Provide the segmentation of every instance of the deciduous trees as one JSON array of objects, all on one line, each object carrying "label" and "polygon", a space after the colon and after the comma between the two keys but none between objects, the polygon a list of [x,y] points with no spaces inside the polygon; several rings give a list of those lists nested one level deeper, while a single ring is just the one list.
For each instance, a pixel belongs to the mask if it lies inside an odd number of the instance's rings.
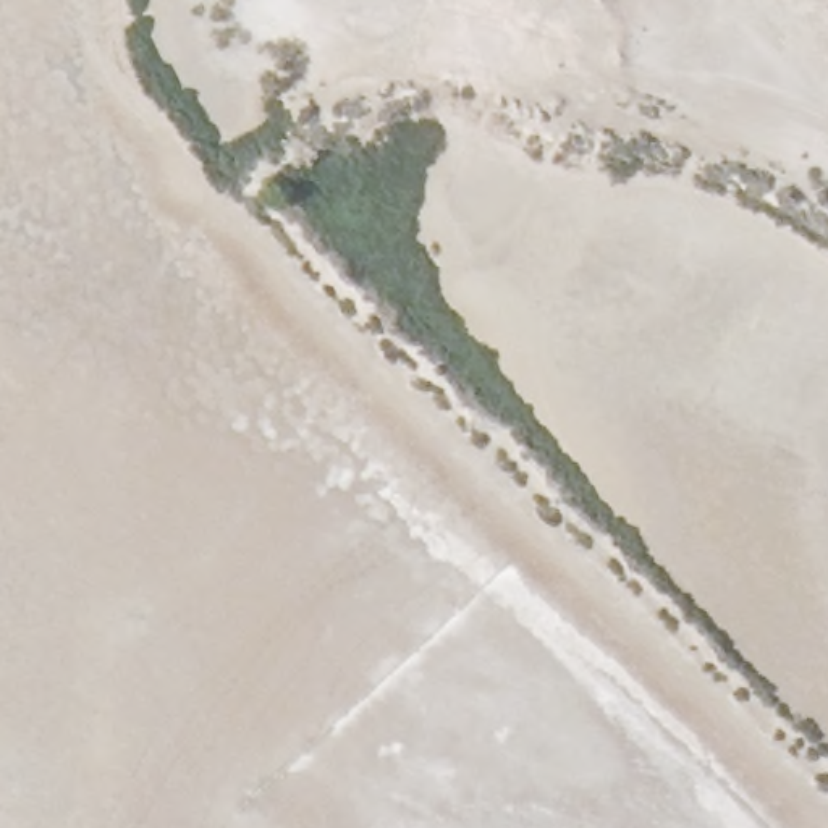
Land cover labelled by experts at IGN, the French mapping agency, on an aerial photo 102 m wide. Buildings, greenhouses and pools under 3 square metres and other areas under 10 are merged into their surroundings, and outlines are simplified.
[{"label": "deciduous trees", "polygon": [[285,201],[285,191],[272,178],[256,194],[252,210],[259,223],[265,223],[272,217],[272,207],[291,207]]}]

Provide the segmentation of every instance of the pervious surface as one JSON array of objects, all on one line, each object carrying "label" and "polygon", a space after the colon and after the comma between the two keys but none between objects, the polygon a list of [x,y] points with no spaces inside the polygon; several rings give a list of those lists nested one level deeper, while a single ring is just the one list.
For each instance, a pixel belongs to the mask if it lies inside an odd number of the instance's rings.
[{"label": "pervious surface", "polygon": [[317,152],[294,139],[285,142],[281,155],[272,155],[268,162],[259,158],[249,171],[243,191],[256,194],[272,178],[291,165],[311,165]]},{"label": "pervious surface", "polygon": [[637,563],[611,540],[611,534],[605,534],[579,508],[569,505],[563,488],[511,433],[511,427],[488,417],[482,408],[472,408],[417,343],[398,333],[395,307],[372,301],[356,281],[349,281],[336,259],[320,252],[320,246],[301,226],[301,207],[291,207],[272,207],[272,217],[265,223],[259,223],[252,210],[210,184],[191,142],[168,120],[168,113],[142,91],[126,45],[133,10],[126,0],[0,0],[0,828],[828,828],[828,760],[789,754],[799,728],[779,718],[760,695],[744,702],[737,699],[744,676],[699,631],[699,624],[686,618],[682,605],[660,592],[644,569],[637,569]]},{"label": "pervious surface", "polygon": [[[301,113],[307,104],[317,104],[320,120],[330,129],[333,129],[333,104],[362,94],[365,116],[356,120],[353,136],[372,142],[375,129],[388,126],[388,107],[424,91],[430,91],[433,100],[433,120],[440,120],[446,129],[446,149],[427,168],[417,236],[440,268],[440,291],[446,304],[463,317],[466,330],[479,343],[498,353],[498,365],[511,378],[514,391],[534,408],[537,420],[556,437],[560,450],[579,463],[579,469],[595,485],[598,498],[618,518],[640,530],[653,560],[663,563],[666,572],[686,592],[692,592],[692,598],[731,634],[737,650],[776,686],[789,708],[812,721],[822,721],[828,715],[828,249],[809,243],[805,236],[792,233],[789,226],[763,213],[741,207],[737,197],[699,188],[695,175],[715,162],[731,158],[770,171],[783,188],[792,188],[809,178],[812,168],[822,168],[828,162],[828,0],[149,0],[149,16],[155,23],[152,39],[158,55],[175,68],[184,87],[197,91],[197,100],[220,129],[223,142],[233,142],[236,136],[256,129],[265,120],[265,107],[262,74],[275,65],[275,58],[268,55],[265,42],[291,39],[301,42],[307,52],[304,78],[291,91],[285,91],[281,100],[291,113]],[[676,110],[663,116],[644,116],[640,104],[624,94],[634,84],[653,97],[676,104]],[[566,94],[569,107],[560,120],[530,120],[527,110],[514,107],[514,97],[521,94],[530,94],[547,110],[556,107],[556,97]],[[602,165],[605,126],[615,126],[621,139],[653,133],[660,136],[670,158],[686,142],[689,162],[679,175],[637,171],[624,181],[611,178]]]}]

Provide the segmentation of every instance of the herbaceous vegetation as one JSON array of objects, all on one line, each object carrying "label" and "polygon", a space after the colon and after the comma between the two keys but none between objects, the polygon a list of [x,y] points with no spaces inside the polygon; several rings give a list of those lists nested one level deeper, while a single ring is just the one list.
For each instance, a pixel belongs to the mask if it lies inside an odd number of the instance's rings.
[{"label": "herbaceous vegetation", "polygon": [[605,126],[602,165],[611,178],[624,181],[637,171],[679,175],[689,162],[686,142],[670,158],[660,136],[653,133],[621,139],[615,126]]},{"label": "herbaceous vegetation", "polygon": [[433,120],[433,100],[430,91],[424,91],[388,107],[388,126],[408,120]]},{"label": "herbaceous vegetation", "polygon": [[676,110],[676,104],[653,97],[634,84],[624,94],[640,104],[644,116],[663,116]]},{"label": "herbaceous vegetation", "polygon": [[307,104],[301,113],[291,113],[285,142],[294,139],[317,152],[323,149],[330,129],[320,120],[317,104]]},{"label": "herbaceous vegetation", "polygon": [[333,129],[336,136],[353,136],[356,120],[365,116],[362,94],[333,104]]},{"label": "herbaceous vegetation", "polygon": [[789,226],[792,233],[805,236],[809,243],[828,249],[828,162],[822,168],[812,168],[809,178],[792,188],[783,188],[770,171],[731,158],[715,162],[695,175],[699,188],[737,197],[741,207],[763,213]]},{"label": "herbaceous vegetation", "polygon": [[514,107],[527,110],[530,120],[560,120],[569,107],[566,94],[556,97],[556,107],[547,110],[530,94],[521,94],[514,97]]},{"label": "herbaceous vegetation", "polygon": [[268,55],[275,58],[275,65],[262,74],[265,107],[268,100],[281,100],[285,91],[291,91],[304,78],[307,52],[301,42],[291,39],[265,42]]}]

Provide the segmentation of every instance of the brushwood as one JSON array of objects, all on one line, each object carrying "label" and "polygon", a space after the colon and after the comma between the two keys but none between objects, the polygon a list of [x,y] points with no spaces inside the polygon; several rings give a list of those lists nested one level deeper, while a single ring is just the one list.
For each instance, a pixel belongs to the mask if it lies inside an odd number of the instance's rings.
[{"label": "brushwood", "polygon": [[249,171],[259,158],[268,162],[272,155],[281,155],[285,142],[291,113],[281,100],[268,100],[265,107],[265,120],[256,129],[236,136],[233,142],[223,142],[220,129],[197,100],[197,91],[184,87],[175,68],[158,55],[152,39],[155,23],[149,16],[149,0],[126,0],[133,10],[126,45],[142,91],[168,113],[168,120],[191,142],[210,184],[252,210],[256,194],[243,191]]},{"label": "brushwood", "polygon": [[395,307],[398,333],[417,343],[472,408],[482,408],[488,417],[511,427],[511,433],[563,488],[569,505],[579,508],[605,534],[611,534],[611,540],[637,563],[637,569],[644,569],[660,592],[682,605],[686,618],[699,624],[699,631],[744,676],[737,699],[744,702],[760,695],[779,718],[799,728],[789,754],[828,760],[828,715],[822,721],[812,721],[789,708],[776,686],[737,650],[731,634],[692,598],[692,592],[686,592],[666,572],[663,563],[653,560],[640,530],[618,518],[598,498],[595,485],[579,469],[579,463],[560,450],[556,437],[537,420],[534,408],[514,391],[511,378],[498,365],[498,353],[479,343],[466,330],[463,317],[446,304],[440,291],[440,268],[417,236],[427,168],[446,149],[446,129],[440,120],[433,120],[408,120],[388,126],[375,129],[372,142],[353,136],[336,136],[333,129],[330,129],[323,149],[317,152],[311,165],[291,165],[272,178],[285,191],[285,201],[291,207],[301,207],[301,226],[320,246],[320,252],[336,259],[349,281],[356,281],[372,301]]}]

